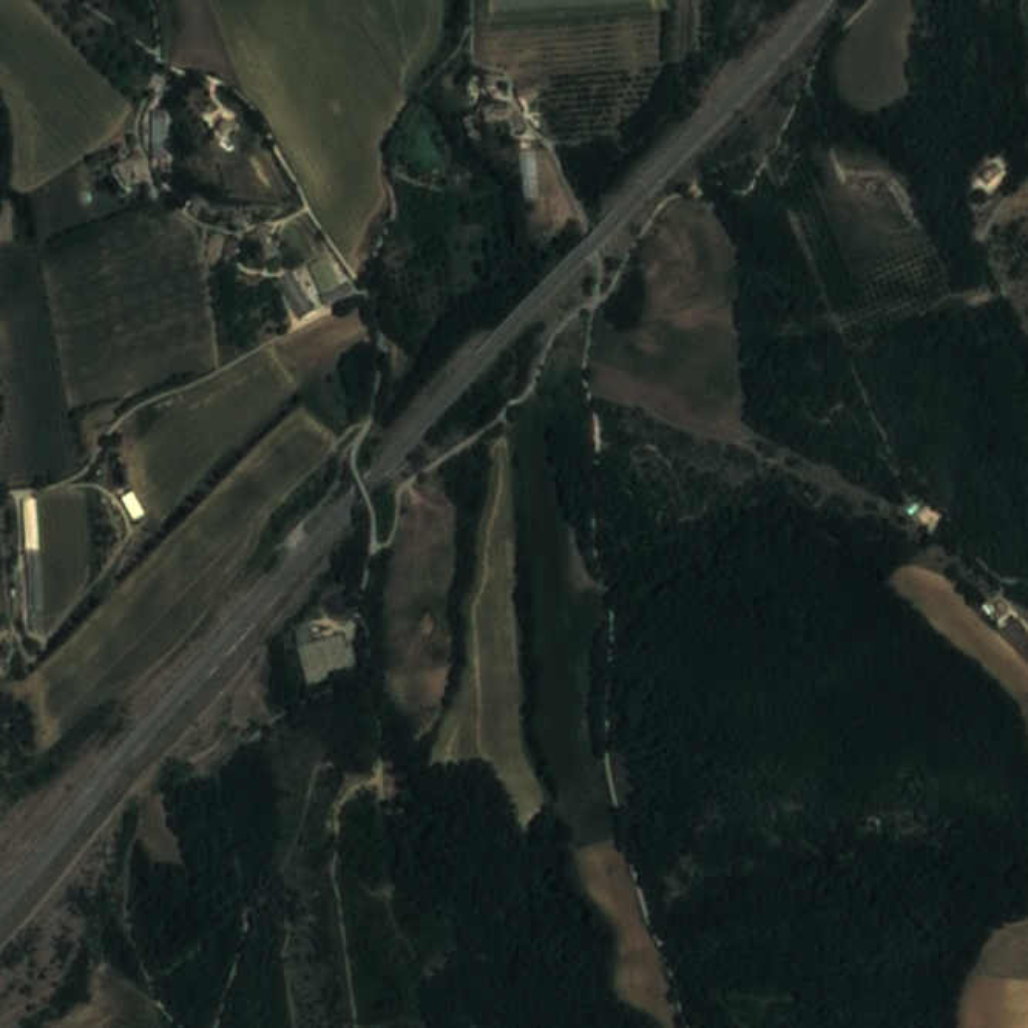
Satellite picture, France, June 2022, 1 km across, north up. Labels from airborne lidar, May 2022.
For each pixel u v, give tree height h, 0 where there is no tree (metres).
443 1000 9
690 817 6
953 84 6
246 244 9
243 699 0
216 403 0
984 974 0
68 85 0
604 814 0
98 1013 0
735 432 0
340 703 10
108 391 0
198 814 10
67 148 0
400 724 15
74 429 6
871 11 0
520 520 9
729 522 15
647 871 15
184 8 0
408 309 11
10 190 14
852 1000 14
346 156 0
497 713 0
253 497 0
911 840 13
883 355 11
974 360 18
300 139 0
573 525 18
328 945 12
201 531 0
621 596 23
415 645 0
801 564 15
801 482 7
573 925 27
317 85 0
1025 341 11
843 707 10
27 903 0
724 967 18
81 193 0
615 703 11
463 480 10
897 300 6
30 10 0
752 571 15
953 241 11
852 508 8
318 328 0
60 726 0
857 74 0
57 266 0
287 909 10
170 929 17
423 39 0
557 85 6
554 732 0
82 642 0
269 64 0
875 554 14
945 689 10
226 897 13
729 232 8
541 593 0
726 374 0
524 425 0
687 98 7
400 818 12
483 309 13
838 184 0
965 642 0
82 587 0
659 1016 0
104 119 0
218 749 0
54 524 0
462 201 9
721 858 15
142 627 0
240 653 0
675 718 14
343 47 0
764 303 11
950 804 10
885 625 11
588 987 16
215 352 0
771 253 10
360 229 0
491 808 17
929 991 17
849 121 15
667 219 0
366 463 9
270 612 0
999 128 10
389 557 12
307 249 0
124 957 13
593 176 12
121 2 9
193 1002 11
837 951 15
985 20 13
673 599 18
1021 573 9
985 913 21
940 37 9
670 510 8
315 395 0
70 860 0
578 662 0
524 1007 14
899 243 0
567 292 0
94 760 0
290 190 8
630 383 0
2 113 17
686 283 0
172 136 8
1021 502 11
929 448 9
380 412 13
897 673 10
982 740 11
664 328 0
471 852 14
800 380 12
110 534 8
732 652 14
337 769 10
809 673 9
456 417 14
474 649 0
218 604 0
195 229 0
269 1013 8
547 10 0
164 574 0
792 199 7
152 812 0
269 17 0
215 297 9
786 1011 10
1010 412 15
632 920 0
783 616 14
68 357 0
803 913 15
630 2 0
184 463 0
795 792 9
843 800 11
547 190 0
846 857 6
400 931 9
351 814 9
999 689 16
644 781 20
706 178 8
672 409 0
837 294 9
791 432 9
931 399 10
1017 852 19
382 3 0
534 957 21
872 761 12
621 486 9
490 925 12
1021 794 10
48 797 0
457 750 0
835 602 17
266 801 8
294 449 0
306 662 0
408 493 0
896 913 16
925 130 10
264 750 6
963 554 9
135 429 0
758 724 9
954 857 18
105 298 0
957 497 9
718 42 11
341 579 13
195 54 0
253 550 0
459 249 9
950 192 13
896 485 9
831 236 8
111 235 0
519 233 25
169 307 0
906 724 10
